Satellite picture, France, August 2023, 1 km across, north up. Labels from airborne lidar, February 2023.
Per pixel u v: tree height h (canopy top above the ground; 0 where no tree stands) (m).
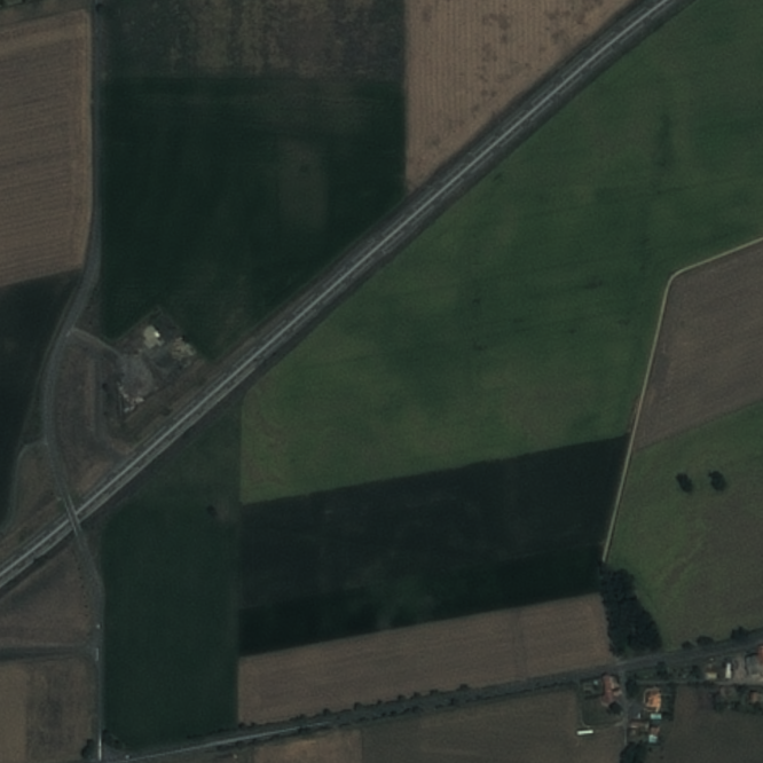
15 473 0
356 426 0
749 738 0
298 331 0
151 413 0
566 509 0
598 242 0
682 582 0
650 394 0
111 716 0
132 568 0
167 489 0
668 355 0
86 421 0
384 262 0
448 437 0
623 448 0
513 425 0
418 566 0
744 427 0
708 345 0
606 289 0
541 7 0
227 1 0
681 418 0
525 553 0
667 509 0
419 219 0
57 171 0
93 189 0
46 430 0
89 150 0
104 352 0
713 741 0
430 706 0
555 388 0
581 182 0
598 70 0
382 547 0
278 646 0
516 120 0
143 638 0
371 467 0
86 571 0
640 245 0
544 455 0
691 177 0
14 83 0
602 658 0
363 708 7
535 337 0
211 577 0
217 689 0
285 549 0
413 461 0
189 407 0
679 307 0
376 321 0
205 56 0
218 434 0
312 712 0
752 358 0
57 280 0
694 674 6
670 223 0
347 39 0
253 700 0
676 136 0
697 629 0
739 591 0
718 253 0
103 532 0
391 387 0
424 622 0
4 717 0
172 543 0
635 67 0
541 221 0
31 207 0
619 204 0
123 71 0
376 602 0
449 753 0
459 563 0
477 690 0
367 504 0
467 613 0
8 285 0
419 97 0
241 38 0
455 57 0
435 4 0
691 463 0
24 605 0
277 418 0
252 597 0
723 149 0
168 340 0
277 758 0
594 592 0
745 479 0
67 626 0
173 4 0
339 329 0
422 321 0
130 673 0
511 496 0
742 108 0
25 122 0
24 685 0
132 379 0
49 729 0
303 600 0
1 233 0
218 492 0
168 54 0
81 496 0
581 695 0
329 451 0
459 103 0
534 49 0
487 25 0
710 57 0
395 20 0
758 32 0
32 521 0
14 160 0
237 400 0
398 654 0
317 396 0
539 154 0
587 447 0
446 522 0
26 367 0
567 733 0
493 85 0
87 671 0
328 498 0
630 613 15
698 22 0
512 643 0
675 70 0
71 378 0
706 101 0
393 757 0
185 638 0
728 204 0
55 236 0
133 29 0
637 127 0
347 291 0
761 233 0
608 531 0
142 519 0
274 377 0
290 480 0
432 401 0
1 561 0
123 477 0
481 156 0
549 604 0
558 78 0
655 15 0
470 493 0
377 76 0
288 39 0
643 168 0
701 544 0
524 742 0
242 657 0
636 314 0
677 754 0
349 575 0
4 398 0
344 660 0
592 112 0
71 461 0
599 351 0
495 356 0
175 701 0
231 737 0
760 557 0
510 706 0
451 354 0
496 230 0
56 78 0
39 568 0
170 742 0
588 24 0
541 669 0
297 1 0
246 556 0
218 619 0
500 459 0
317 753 0
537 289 0
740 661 0
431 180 0
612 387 0
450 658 0
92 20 0
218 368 0
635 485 0
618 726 0
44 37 0
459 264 0
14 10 0
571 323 0
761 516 0
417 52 0
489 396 0
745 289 0
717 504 0
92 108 0
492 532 0
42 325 0
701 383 0
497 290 0
